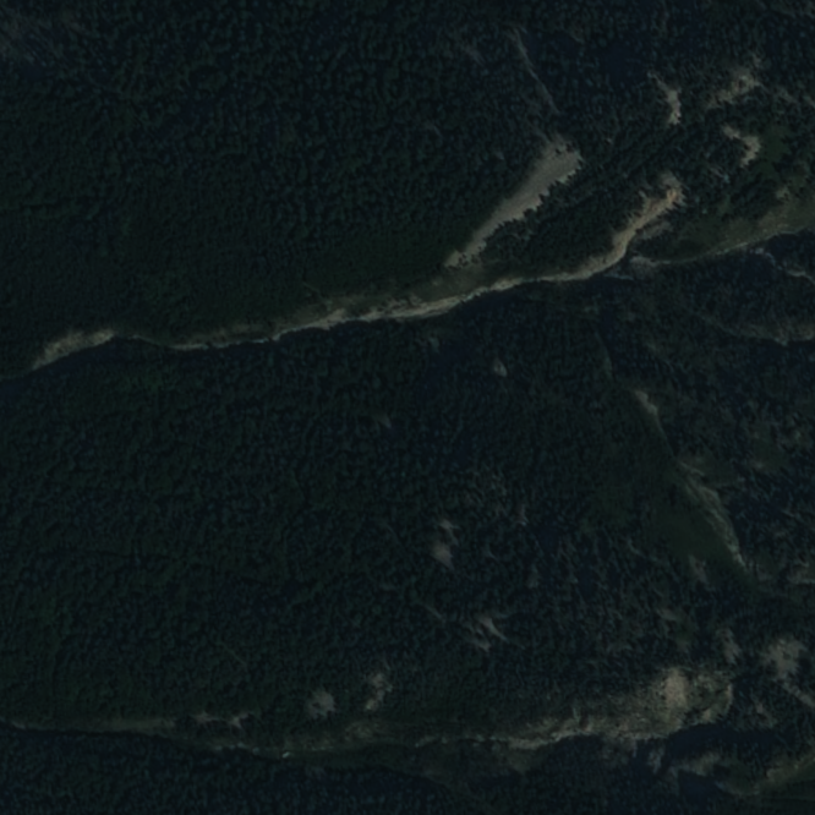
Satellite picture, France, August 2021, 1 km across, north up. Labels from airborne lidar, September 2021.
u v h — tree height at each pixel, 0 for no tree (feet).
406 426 71
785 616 21
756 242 0
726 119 24
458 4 48
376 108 100
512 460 42
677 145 26
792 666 0
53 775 70
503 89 55
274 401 85
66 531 89
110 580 97
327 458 60
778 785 0
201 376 63
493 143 45
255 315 46
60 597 81
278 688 37
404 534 80
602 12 27
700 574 0
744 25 54
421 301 0
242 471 100
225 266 50
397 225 73
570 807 33
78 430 81
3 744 71
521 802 53
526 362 22
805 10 52
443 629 53
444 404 54
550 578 49
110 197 85
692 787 0
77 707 35
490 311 39
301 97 21
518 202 0
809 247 22
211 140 100
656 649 59
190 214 64
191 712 71
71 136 125
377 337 54
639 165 77
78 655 77
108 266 51
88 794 78
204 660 59
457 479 57
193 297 56
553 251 47
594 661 34
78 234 54
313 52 24
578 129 60
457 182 51
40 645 86
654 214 0
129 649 95
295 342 53
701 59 52
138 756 34
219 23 80
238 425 84
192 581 52
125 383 54
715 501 0
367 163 115
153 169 93
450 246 35
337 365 85
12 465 97
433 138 41
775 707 31
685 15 77
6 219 50
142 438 99
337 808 43
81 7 88
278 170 100
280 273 48
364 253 41
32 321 48
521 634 62
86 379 57
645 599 33
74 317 49
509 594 70
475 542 30
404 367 56
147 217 53
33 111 102
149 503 111
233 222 60
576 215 51
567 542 31
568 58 32
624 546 43
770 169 0
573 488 44
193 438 86
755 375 25
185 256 55
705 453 18
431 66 71
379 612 69
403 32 89
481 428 52
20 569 97
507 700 30
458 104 61
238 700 72
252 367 77
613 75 26
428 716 36
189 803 65
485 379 41
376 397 64
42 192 106
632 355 46
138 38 86
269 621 53
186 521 33
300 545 39
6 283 53
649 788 31
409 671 58
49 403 69
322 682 77
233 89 76
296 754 0
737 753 56
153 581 93
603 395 21
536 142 41
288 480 44
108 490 88
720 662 35
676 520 0
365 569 58
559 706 25
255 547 84
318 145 123
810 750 55
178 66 95
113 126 83
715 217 28
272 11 64
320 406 35
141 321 55
